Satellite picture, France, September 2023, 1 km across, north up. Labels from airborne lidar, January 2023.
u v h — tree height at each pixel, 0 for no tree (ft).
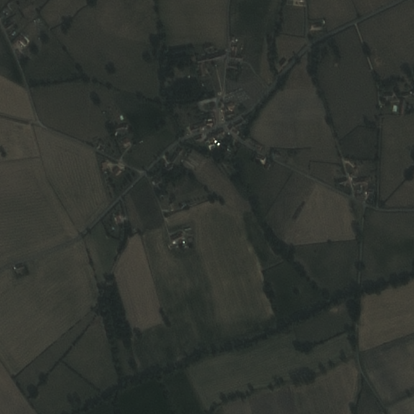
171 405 52
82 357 0
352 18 0
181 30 0
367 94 0
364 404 0
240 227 0
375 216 0
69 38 0
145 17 0
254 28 0
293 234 0
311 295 0
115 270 0
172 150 0
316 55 27
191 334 0
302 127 0
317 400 0
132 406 0
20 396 0
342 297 60
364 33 0
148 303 0
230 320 0
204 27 0
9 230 0
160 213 0
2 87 0
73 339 0
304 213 0
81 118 0
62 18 0
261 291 0
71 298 0
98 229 0
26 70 0
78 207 0
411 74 62
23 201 0
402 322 0
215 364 0
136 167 0
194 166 0
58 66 0
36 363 0
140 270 0
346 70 0
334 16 0
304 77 0
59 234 0
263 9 0
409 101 0
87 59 0
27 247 0
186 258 0
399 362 0
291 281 0
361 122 0
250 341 26
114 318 42
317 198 0
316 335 0
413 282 0
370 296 0
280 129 0
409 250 0
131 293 0
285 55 0
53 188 0
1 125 0
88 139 0
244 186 57
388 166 0
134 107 0
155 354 0
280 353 0
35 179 0
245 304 0
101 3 0
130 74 0
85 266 0
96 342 0
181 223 0
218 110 0
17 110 0
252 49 0
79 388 0
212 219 0
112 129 60
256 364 0
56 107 0
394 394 0
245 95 0
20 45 0
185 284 0
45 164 0
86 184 0
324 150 0
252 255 0
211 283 0
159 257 0
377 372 0
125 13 0
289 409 0
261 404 0
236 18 0
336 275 0
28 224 0
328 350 0
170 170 30
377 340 0
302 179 0
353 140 0
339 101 0
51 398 0
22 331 0
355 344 40
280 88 40
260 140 0
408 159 0
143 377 45
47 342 0
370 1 0
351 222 0
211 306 0
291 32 0
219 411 0
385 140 0
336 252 0
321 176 0
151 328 0
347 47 0
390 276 0
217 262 0
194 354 31
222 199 38
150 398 0
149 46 0
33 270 0
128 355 0
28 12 0
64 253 0
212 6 0
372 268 0
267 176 0
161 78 69
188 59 35
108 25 0
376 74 46
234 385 0
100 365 0
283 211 0
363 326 0
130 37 0
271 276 0
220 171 0
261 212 81
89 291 0
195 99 40
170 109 43
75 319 0
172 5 0
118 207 0
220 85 0
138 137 0
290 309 0
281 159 0
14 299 0
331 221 0
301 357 0
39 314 0
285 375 0
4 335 0
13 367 0
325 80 0
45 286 0
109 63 0
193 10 0
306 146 0
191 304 0
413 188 0
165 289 0
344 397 0
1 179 0
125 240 23
